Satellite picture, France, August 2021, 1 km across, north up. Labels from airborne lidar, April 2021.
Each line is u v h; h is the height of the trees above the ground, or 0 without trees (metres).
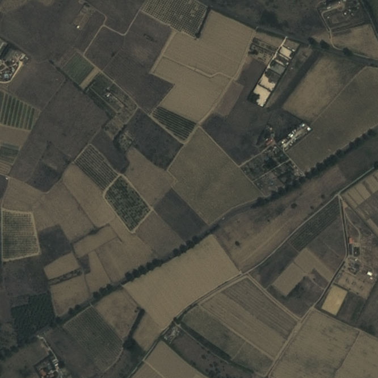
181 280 0
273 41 0
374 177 0
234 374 0
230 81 0
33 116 0
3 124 0
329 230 0
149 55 0
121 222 0
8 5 0
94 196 0
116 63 0
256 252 0
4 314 0
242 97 0
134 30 0
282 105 0
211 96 0
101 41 0
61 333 0
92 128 0
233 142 0
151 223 0
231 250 0
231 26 0
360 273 0
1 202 0
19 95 0
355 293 0
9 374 0
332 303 0
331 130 0
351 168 0
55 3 0
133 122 0
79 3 0
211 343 0
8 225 0
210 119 0
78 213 0
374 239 0
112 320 0
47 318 10
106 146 0
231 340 0
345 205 0
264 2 0
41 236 0
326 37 0
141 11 0
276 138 7
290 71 0
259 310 0
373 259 0
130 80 0
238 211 0
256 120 0
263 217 0
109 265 0
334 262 0
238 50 0
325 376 0
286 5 0
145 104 0
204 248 0
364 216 0
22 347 20
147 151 0
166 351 0
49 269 0
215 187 0
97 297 21
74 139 0
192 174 0
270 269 0
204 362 0
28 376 0
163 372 0
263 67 0
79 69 0
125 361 0
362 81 0
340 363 0
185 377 0
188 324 0
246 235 0
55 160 0
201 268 0
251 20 0
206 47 0
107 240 0
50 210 0
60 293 0
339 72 0
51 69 0
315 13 0
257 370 0
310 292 0
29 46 0
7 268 0
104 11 0
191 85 0
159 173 0
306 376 0
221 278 0
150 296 0
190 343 0
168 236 0
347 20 0
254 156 0
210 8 8
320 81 0
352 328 0
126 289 0
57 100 0
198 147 0
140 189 0
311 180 16
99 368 0
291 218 0
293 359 0
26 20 0
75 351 0
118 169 0
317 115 0
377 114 0
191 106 0
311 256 0
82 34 0
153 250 0
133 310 0
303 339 0
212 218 0
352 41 0
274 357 0
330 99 0
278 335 0
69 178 0
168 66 0
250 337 0
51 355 8
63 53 0
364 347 0
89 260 0
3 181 0
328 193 0
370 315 0
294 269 0
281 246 0
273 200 14
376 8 0
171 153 0
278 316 0
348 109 0
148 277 0
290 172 7
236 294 0
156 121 0
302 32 0
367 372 0
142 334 0
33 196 0
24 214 0
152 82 0
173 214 0
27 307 10
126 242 0
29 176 0
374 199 0
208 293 0
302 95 0
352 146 18
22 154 0
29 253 0
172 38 0
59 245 0
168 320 0
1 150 0
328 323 0
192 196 0
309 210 0
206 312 0
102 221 0
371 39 0
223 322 0
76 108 0
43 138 0
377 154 0
